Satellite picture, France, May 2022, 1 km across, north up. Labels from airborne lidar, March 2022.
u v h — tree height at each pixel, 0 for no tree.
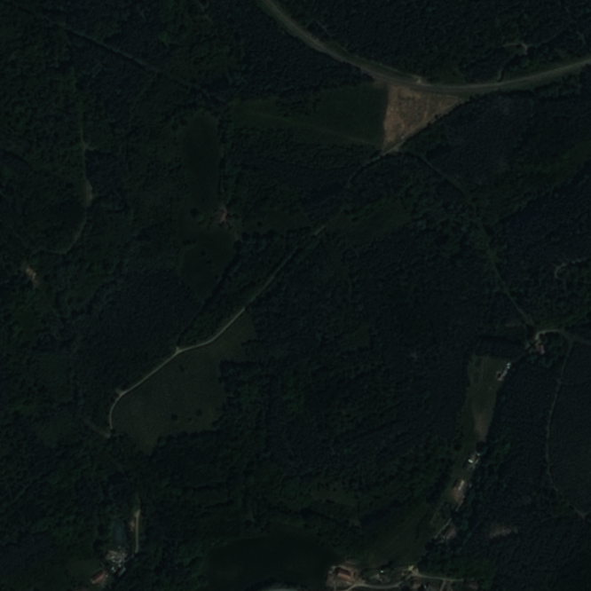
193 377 0
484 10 18
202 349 0
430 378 24
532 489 23
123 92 29
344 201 15
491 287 26
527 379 21
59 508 18
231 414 13
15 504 12
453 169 28
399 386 20
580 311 20
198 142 0
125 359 12
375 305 16
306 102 7
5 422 10
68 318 20
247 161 12
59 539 20
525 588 19
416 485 18
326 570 0
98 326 13
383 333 16
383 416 10
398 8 21
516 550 22
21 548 28
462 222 28
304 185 9
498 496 24
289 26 0
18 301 9
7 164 26
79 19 30
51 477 19
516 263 21
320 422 17
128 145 11
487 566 19
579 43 29
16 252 17
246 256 18
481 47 19
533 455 25
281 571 0
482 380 0
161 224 6
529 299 22
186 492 24
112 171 29
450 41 19
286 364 18
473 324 20
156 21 24
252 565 0
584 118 20
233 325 0
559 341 19
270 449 22
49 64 16
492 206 12
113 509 26
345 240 6
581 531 21
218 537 19
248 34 20
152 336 16
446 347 21
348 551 23
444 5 14
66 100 25
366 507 7
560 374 15
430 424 19
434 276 21
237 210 14
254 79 28
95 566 0
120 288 18
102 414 15
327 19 22
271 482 20
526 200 13
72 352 20
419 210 28
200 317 8
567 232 22
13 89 6
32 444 19
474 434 0
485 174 33
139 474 12
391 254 15
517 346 29
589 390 6
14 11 14
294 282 18
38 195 13
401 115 0
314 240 12
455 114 8
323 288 16
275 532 0
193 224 0
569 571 19
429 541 0
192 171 0
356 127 0
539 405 18
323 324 18
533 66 13
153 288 13
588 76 22
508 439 24
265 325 13
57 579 0
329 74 23
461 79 0
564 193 12
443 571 17
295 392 18
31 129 8
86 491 28
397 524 10
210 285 0
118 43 28
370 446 14
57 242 11
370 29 21
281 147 10
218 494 23
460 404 23
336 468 8
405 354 14
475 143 31
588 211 20
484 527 22
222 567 0
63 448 15
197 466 18
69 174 18
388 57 22
